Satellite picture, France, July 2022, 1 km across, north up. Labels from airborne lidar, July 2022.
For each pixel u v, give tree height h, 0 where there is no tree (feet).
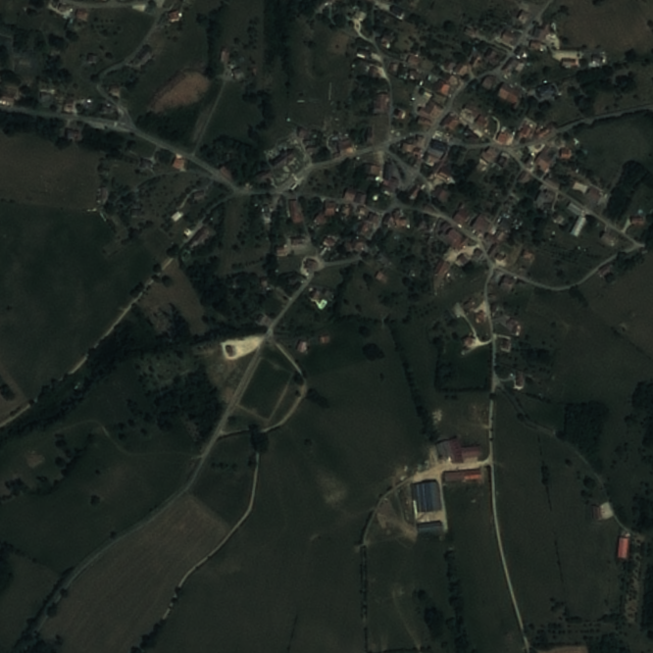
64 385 27
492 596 0
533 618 0
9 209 0
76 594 0
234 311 25
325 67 0
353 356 0
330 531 0
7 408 0
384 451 0
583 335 0
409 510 0
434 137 0
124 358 28
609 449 0
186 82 0
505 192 18
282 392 0
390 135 0
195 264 24
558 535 0
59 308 0
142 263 0
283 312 0
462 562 0
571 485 0
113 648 0
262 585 0
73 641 0
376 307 0
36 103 33
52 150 0
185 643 0
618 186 23
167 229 20
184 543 0
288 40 43
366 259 57
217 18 59
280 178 0
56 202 0
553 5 0
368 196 25
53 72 52
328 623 0
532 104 51
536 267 0
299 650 0
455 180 48
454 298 0
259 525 0
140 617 0
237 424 44
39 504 0
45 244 0
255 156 49
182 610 0
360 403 0
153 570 0
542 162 0
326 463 0
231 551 0
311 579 0
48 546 0
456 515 0
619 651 21
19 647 41
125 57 0
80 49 0
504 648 0
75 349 0
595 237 0
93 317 0
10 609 0
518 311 20
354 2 28
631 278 0
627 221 0
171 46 0
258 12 0
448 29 41
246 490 0
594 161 0
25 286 0
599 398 0
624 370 0
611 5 0
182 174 0
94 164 0
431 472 0
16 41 19
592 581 0
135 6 0
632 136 0
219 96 0
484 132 0
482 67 0
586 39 0
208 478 0
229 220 0
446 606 0
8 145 0
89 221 0
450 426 0
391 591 0
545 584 0
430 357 0
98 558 0
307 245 0
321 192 24
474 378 0
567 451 0
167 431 44
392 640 0
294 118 0
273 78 0
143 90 0
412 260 24
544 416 0
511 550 0
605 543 0
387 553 0
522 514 0
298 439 0
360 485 0
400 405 0
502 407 0
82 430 0
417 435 0
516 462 0
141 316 21
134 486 0
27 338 0
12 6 0
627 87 86
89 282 0
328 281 0
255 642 0
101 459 0
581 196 0
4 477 0
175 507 0
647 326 0
